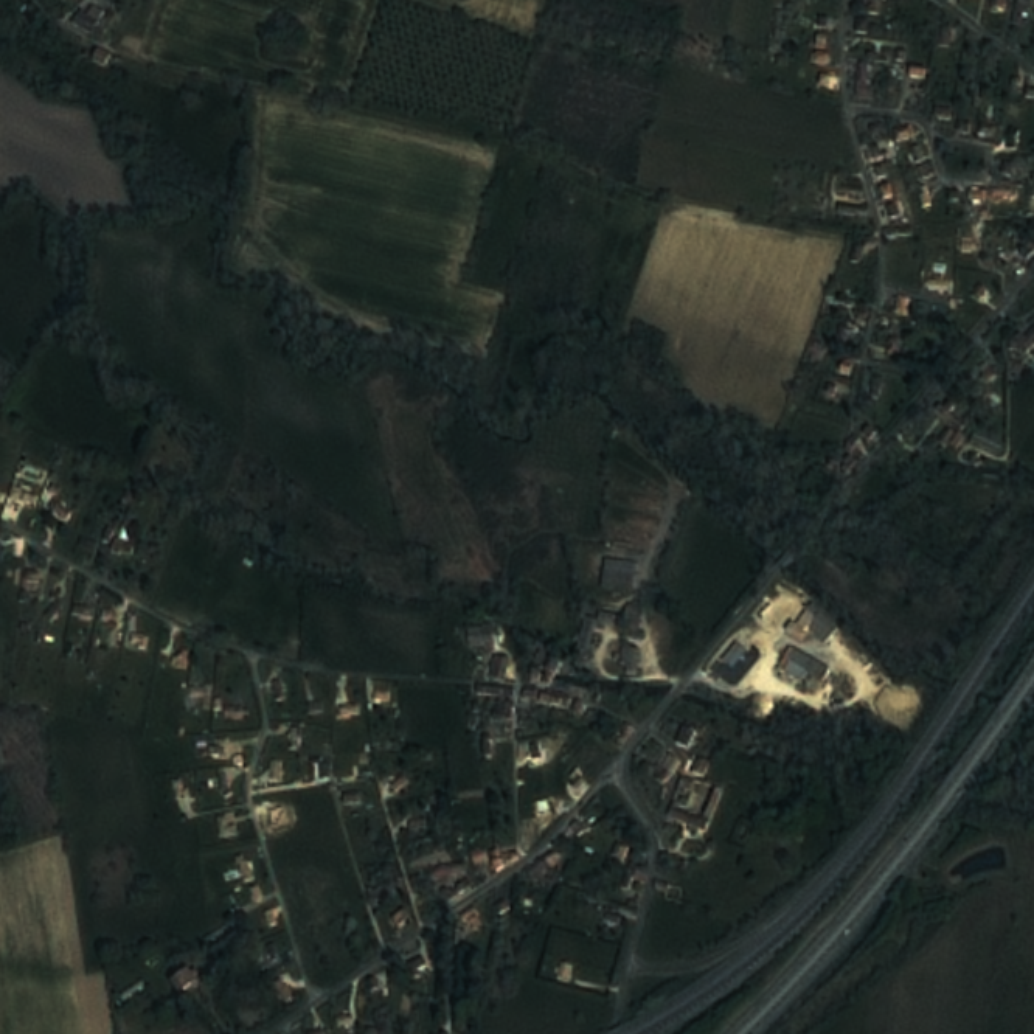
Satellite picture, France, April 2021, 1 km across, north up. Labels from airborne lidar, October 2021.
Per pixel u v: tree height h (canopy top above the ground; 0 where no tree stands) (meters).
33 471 0
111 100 6
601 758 0
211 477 15
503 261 0
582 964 0
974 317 0
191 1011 14
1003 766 18
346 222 0
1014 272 0
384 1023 13
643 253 0
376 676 0
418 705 0
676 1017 0
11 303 0
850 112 0
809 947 0
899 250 0
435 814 9
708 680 0
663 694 0
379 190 0
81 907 0
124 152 15
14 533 0
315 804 0
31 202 8
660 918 0
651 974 0
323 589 11
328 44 0
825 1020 6
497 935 7
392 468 0
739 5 0
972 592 12
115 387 21
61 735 0
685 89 0
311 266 0
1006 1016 0
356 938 13
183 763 0
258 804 0
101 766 0
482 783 0
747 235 0
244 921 13
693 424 17
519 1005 0
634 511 0
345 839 0
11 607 0
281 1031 0
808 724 18
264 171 0
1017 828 16
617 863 8
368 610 0
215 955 12
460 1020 13
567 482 0
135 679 0
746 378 0
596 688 12
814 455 8
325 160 0
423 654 0
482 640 0
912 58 0
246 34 0
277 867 0
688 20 0
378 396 0
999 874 0
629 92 0
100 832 0
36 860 0
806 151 0
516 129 8
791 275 0
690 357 0
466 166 0
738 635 0
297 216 0
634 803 0
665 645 0
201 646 10
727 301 0
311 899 0
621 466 0
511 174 0
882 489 0
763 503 25
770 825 18
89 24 0
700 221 0
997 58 16
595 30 9
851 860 0
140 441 15
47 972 0
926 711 16
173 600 0
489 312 0
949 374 17
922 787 7
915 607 16
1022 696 0
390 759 0
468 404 20
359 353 17
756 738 7
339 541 0
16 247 0
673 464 20
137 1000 10
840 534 6
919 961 0
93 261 24
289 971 16
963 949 0
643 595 14
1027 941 0
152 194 18
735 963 0
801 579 10
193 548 0
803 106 0
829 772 31
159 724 0
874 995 0
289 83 18
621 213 0
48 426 0
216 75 0
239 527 32
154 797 0
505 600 23
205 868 0
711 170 0
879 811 0
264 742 0
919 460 12
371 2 0
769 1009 0
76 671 0
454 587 8
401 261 0
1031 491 13
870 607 0
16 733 18
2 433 0
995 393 0
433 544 0
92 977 0
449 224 0
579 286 11
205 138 0
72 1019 0
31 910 0
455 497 0
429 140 0
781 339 0
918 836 0
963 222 9
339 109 12
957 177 0
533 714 11
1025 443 0
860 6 7
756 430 21
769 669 0
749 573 0
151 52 0
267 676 0
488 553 0
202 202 19
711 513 12
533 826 0
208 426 14
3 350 0
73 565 0
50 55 13
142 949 8
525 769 0
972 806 16
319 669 0
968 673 0
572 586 12
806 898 0
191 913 0
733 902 0
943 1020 0
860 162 0
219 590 0
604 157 0
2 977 0
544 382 13
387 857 9
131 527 8
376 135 0
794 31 0
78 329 32
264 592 0
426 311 0
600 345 10
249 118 18
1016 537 17
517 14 0
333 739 0
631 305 0
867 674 0
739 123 0
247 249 0
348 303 0
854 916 0
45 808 16
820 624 0
